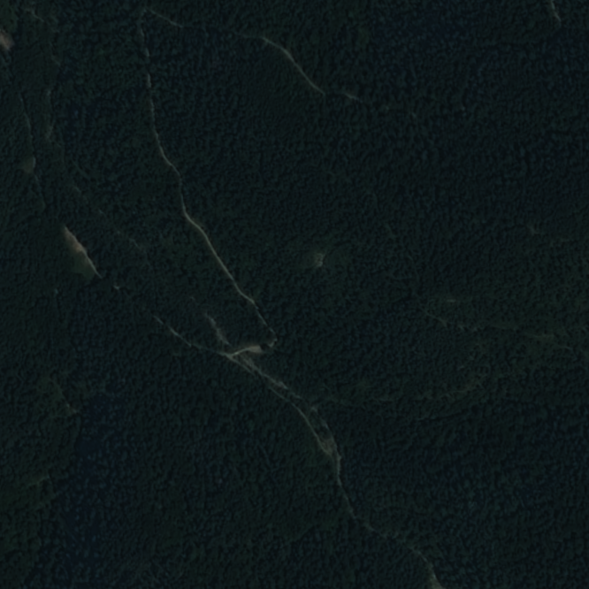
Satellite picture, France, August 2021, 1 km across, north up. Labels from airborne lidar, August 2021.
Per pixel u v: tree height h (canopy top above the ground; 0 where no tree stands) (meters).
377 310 8
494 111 18
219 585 36
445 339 17
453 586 26
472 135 15
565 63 14
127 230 10
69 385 24
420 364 29
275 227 17
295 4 13
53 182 16
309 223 15
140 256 11
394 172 29
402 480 22
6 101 21
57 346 22
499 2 20
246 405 20
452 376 27
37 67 15
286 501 20
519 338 20
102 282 24
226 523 26
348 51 26
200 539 14
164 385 25
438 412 19
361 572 26
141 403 21
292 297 20
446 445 10
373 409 10
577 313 10
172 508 23
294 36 6
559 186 23
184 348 14
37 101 15
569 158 27
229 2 11
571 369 7
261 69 14
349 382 13
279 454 21
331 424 16
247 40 14
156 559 29
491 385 29
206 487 14
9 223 12
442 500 14
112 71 6
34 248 22
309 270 13
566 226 17
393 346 19
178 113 6
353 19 22
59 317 16
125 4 25
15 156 9
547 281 14
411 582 23
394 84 12
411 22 14
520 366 10
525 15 21
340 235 10
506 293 20
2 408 29
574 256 23
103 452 17
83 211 16
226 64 16
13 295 28
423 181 23
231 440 9
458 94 22
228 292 7
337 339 13
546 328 15
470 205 14
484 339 16
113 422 35
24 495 19
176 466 27
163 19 11
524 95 27
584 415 18
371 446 20
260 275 17
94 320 27
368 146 18
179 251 8
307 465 19
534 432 18
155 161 7
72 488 27
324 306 14
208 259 22
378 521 20
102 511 29
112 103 12
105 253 19
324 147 23
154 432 20
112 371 18
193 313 11
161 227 7
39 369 34
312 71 22
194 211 11
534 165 17
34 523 21
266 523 21
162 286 8
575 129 16
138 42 8
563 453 20
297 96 20
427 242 12
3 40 0
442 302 11
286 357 25
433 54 15
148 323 18
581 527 20
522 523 12
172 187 18
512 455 22
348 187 19
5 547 24
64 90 7
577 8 12
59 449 22
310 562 23
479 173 18
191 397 26
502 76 26
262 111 15
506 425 21
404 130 13
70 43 7
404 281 14
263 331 15
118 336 25
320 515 25
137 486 30
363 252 17
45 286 28
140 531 28
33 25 12
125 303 20
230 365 21
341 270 16
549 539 21
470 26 19
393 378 33
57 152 11
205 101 15
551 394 14
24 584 7
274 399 18
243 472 14
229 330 9
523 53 21
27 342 26
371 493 24
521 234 17
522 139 16
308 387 17
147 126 8
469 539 27
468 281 11
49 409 6
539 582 22
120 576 15
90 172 25
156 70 7
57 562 19
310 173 14
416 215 7
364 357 23
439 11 13
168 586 26
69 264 18
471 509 14
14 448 6
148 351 33
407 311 29
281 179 18
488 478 13
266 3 10
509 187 15
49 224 15
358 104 10
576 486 20
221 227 17
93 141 19
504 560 15
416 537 21
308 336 13
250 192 19
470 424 19
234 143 19
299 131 17
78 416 19
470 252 15
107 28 6
